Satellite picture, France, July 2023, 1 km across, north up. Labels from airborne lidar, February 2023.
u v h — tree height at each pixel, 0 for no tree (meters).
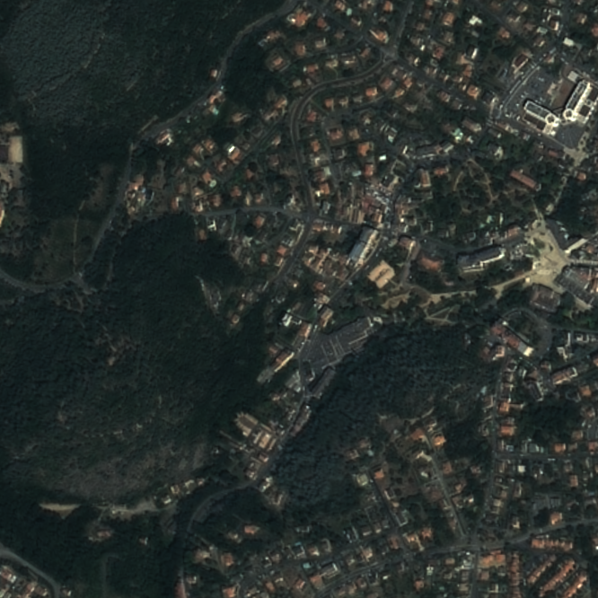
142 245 19
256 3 14
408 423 12
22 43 10
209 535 12
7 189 9
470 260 0
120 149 18
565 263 0
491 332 0
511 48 11
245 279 15
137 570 14
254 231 22
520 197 7
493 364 10
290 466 12
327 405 11
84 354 21
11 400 20
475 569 0
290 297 9
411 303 13
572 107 0
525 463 10
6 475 18
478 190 12
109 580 11
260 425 0
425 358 8
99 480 0
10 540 14
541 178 13
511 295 13
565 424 14
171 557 24
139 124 8
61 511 0
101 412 15
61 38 10
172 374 11
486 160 11
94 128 8
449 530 7
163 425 6
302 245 0
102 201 0
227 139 16
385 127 7
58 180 7
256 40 7
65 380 23
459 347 12
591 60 8
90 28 7
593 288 0
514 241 0
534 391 0
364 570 0
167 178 10
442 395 8
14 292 8
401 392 6
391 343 15
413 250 0
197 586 9
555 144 0
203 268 21
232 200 13
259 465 0
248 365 14
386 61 0
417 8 9
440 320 0
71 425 12
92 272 16
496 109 0
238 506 14
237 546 13
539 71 0
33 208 11
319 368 0
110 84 12
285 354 0
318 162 0
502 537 7
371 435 7
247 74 20
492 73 7
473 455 7
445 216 14
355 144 10
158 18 16
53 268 0
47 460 15
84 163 12
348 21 9
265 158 7
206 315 15
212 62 17
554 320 16
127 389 17
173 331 16
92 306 15
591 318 23
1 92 9
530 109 0
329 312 0
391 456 11
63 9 10
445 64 11
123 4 16
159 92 14
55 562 19
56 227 0
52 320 23
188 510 17
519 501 7
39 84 8
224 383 14
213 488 17
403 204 0
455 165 22
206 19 11
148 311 16
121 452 10
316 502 16
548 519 14
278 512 0
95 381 11
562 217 7
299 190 9
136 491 6
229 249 14
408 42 10
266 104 13
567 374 0
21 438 16
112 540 5
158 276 12
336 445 0
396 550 11
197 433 8
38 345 24
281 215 12
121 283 17
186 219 19
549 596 10
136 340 22
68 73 11
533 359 10
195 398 6
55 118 11
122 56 13
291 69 7
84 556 21
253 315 14
